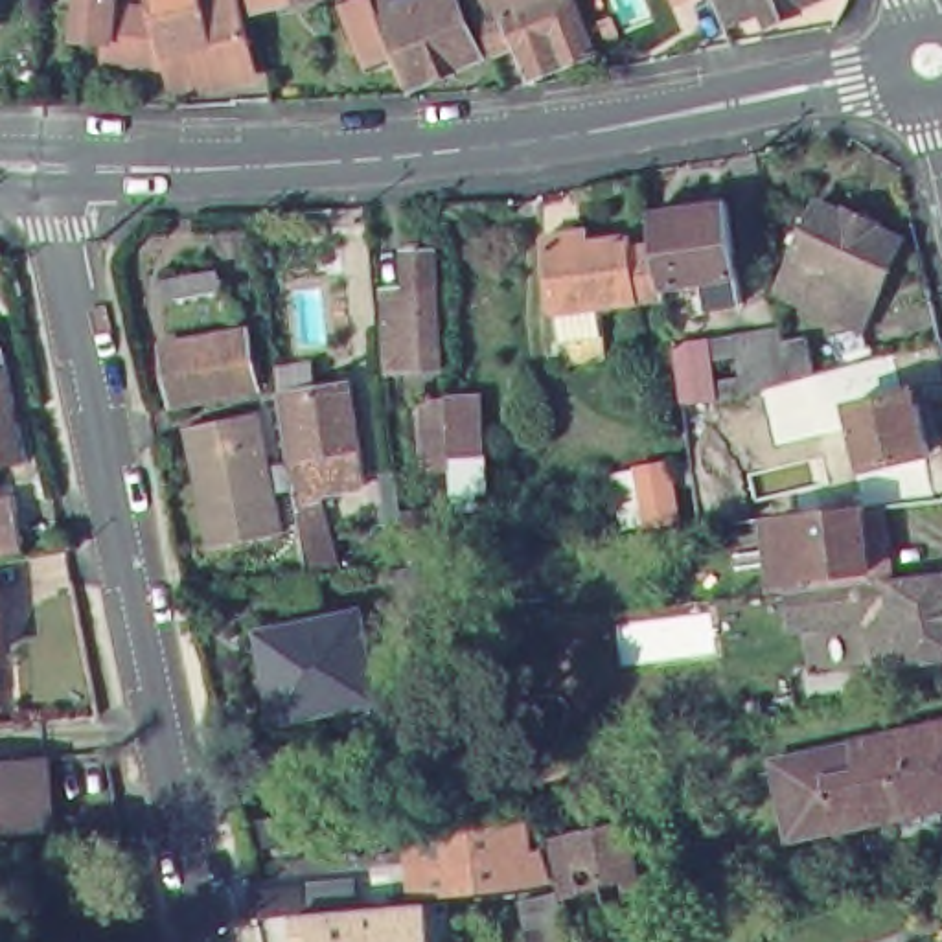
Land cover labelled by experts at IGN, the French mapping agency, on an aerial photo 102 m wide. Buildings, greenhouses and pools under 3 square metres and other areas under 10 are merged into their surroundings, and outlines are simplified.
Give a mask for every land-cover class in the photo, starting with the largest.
<instances>
[{"label":"deciduous trees","instance_id":"1","mask_svg":"<svg viewBox=\"0 0 942 942\"><path fill-rule=\"evenodd\" d=\"M59 0H40V48L33 59V81L0 77V107L63 103L85 107L92 118H99L103 110L129 114L136 110V103H151L158 96L162 81L155 70H136L132 81H118L107 74L81 70L77 59L55 63L59 33ZM615 74L592 59L559 70V77L570 88H592L596 81ZM585 202L574 217L578 228H585L603 213L607 199H622V221L637 224L644 217V195H640V180L633 177L585 184ZM817 191L810 177H795L791 184L773 180L751 269L754 298L765 302L769 316L780 320L787 305L773 287L784 261V236L795 213L806 210L810 195ZM386 221H390V224L397 232V243H423L434 250V258H442L445 291V305L434 309L442 372L427 383L390 379L386 471L397 493V519H375L364 508L357 515H339V526L331 530L335 559L342 563V570H302L298 559L250 570L236 552H232L228 567L195 563L180 574V581L166 596L169 611H177L188 615V633L202 659L206 710L228 729L224 751L217 754L213 769L224 780L261 784V802H250L243 817L247 824L269 817V835L276 850L302 854L309 865L320 868H346L353 857H368L372 865H394L408 846H431L464 828L482 824H526V832L537 828L541 835H563L578 832L581 821H596L607 824L615 850L637 854V883H629L626 894L618 887H600L592 894L563 902L559 920L548 924V942H758L780 938L787 920L806 909V902H813L817 909H835L846 894L916 902L920 920H935V894L942 876V821L920 835L883 839L876 828H868L806 843H784L773 828L762 832L758 824L736 821L740 773H732V762L754 754V740H810L854 725H879L909 729L924 721H942V666H913L902 655H879L868 666H861V673H854L839 692H810L798 707L776 710L773 692L762 688L721 692V684L699 670L695 659H622L618 640L626 622L681 615L666 596V574L688 559L707 567L710 556L732 552L710 526L714 508H707L699 497H692L684 478H673V519L655 526H626V486L618 482V471L626 467L607 453L570 442L567 434H552L548 401L530 375L534 357L526 346V316L508 320L504 346H515V361L500 364V353L493 346L475 342L471 305L475 272L482 265L497 261L504 269V261H511V250L523 239L534 247L541 228L537 217L526 213V206L508 202H405L386 210ZM442 394H478L486 464L478 493H449L445 475L427 471L416 456L412 405H423L427 397ZM559 545L578 559V574L589 578L578 600L545 589L541 559ZM316 603L324 611L353 603L364 615L379 607L383 626L368 659L372 710H342L324 721L265 729L254 718L269 695H261L254 684L250 637L265 622H276L283 611L298 615L313 611ZM239 258H221L217 250H180L162 269V280L213 272L217 283L228 287V298L239 305L243 320V327L250 331V357L261 383H272V368L287 364L294 350L287 324L291 298L280 287L283 261H294L302 272L324 265L335 261L339 247L327 239L324 224L302 213L276 210L247 213L236 232ZM677 324H684V302L677 294L603 313L600 357L578 364L567 353H559L545 357L548 372L570 390L574 412L581 419L626 431L637 445L655 453V464L670 471L681 449L670 416V408L677 405V386L670 350L681 342ZM313 383L350 386L357 456L361 475L368 478H375L379 475L361 361L335 364L324 353H316ZM155 467L162 471L166 504L173 497H184L191 475L184 445L169 453L166 442H155ZM714 592H718V600H765V585H762V578L754 574H747V578H743V581H740L736 589H721V585H714ZM132 854L118 850L103 835L63 832L44 839L37 828L0 832V942H140L144 935L132 924L140 920L136 887L125 868ZM471 913L453 916L449 942H511L519 927V909L508 894L467 898Z\"/></svg>","mask_w":942,"mask_h":942},{"label":"impervious surface","instance_id":"2","mask_svg":"<svg viewBox=\"0 0 942 942\"><path fill-rule=\"evenodd\" d=\"M677 29L662 37L655 48H648V55L633 63V74H615L596 81L592 88H570L559 77V70L541 74L537 85L519 81L515 88H504L500 63L478 85L467 88L453 85L449 74H438V85L412 92L390 81L375 103H272L269 81L261 88L180 92L162 81L158 96L151 103H136V110L129 114L103 110L99 118H92L85 107L63 103L0 107V254L11 265L26 261L29 272L44 368L48 375L63 372V401L81 453L85 482L74 489L66 486V493H52V504L40 508L33 500L15 515L18 548L0 563V725H11V710H18L22 695L11 688V648L33 637V603L55 596L70 581V541L81 545V567L88 585L103 589L118 670L129 699L125 707L110 703L99 714V718L107 732L110 765H103L99 776L88 780L85 771L48 775L52 810L37 828L44 839L63 832L103 835L118 850L132 854L125 868L136 887L140 920L132 924L144 935L140 942H298L291 927L280 920V898L269 887L265 876L254 868L243 872L232 857L239 839H228L221 846L224 817H243L250 802H261V784L224 780L213 769L217 754L224 751L228 729L206 710V718L195 714L188 699L180 644L173 633L177 611H169L166 596L180 581L166 578L155 519L144 515V497L155 493V442H166L169 453L184 445L180 431L188 423L254 416L261 427L265 464L276 467L283 460V445L280 416L272 405V383H261L250 401L224 408H162L158 394L144 401V412L129 405L125 361L110 357V339H129L125 324L118 320L114 302L103 287L99 261L107 243H118L144 217H166L169 232L191 228L199 206H224L228 213H247L276 210L302 213L324 224L327 239L339 247L335 261L324 265L327 272L346 276L353 313V324H342L327 335V342L316 353H324L335 364L361 361L372 327V287L368 239V236H364V199H372V195H375L379 202H383V206H386V210L405 202H508L526 206V213L537 217L541 228L552 232L556 224L574 217L585 202V184L633 177V169H637V166H659V169H662V206L677 210L688 202H725L732 269H751L773 180L769 169L754 173L765 151L798 147L813 140H832L835 147L850 140L854 147L879 155L902 173L905 206H898V213L913 228V254H920L924 261L931 305L924 313L894 320V302L879 294L861 335L865 339L876 331L879 339L913 331H927L935 339V346L876 357L861 368H839L817 372L795 383L769 386L765 394L776 442H821L817 456L806 464L813 475L806 486H787L769 497L754 493V478L762 475L758 467L740 475V497L762 504V515H787L784 508L802 515L854 508L865 515L868 504L889 508L902 511V497H924L942 489V0H817L791 18H747L743 29H725L710 18H699V7L692 0H670ZM883 375H894L913 394L924 442L931 445V453L924 460L861 471L846 456L839 405L865 397L868 390H876ZM684 302V324H677L681 342L758 335L773 327L769 316L765 302L754 298L714 309L703 302L699 287H684L677 294ZM0 350L7 364L18 442L29 456V405L11 339L0 342ZM383 493L375 478H368L361 489L342 493L339 508L320 504L324 523L331 530L339 526V515H357L364 508L375 504ZM471 913L467 898L431 894L423 905V942H449L453 916Z\"/></svg>","mask_w":942,"mask_h":942},{"label":"building","instance_id":"3","mask_svg":"<svg viewBox=\"0 0 942 942\"><path fill-rule=\"evenodd\" d=\"M59 33L70 44L96 52L99 63L136 70H155L162 81L180 92L261 88L269 81L250 59L243 22L265 11L305 7L339 11V48L350 52L372 74H386L390 81L412 92L438 85V74H449L453 85L467 88L478 85L500 63L504 88H515L519 81L537 85L541 74L559 70L592 59L589 44L600 37H615V18L581 26L574 0H59ZM699 7V18H710L725 29H743L747 18H791L817 0H692ZM898 250V236L846 206H832L817 191L810 195L806 210L795 213L784 236V261L773 287L787 305L798 309L802 327H817L824 331V339H835L843 331L861 335L879 294V283L887 276L883 269ZM637 224L644 236L640 243H629L622 236H589L585 228H578L574 217L556 224L552 232L541 228L534 247V276L541 287V313L552 320L559 353H567L578 364L600 357L603 313L677 294L684 287H699L703 302L714 309L754 298L751 269H732L725 202H688L677 210L662 206H659V210H648V206H644V217ZM383 265L394 269L397 287L394 294L372 287V327L383 342L379 368L390 379L427 383L442 372L434 309L445 305V291L442 258H434V250L423 243H397V232L390 224V239H386ZM217 283L213 272L162 280H151L144 287L155 346L158 394L162 408H224L250 401L261 383L250 357V331L243 327V320L177 327L162 320L166 302L199 298ZM773 327L758 335L681 342L670 350L677 386V405L670 408V416L681 449L670 471L655 464L626 467L618 471V482L626 486V526H655L673 519V478H684L692 497H699L695 412L718 416V408H747L758 394H765L769 386L795 383L817 372L810 364L802 339L780 335V320L769 316ZM29 460V456L18 442L7 364L0 350V471L11 475L15 464ZM316 353L294 350L287 364L272 368V405L280 416L283 445V460L276 467L265 464L261 427L254 416L188 423L180 431L184 445L191 475L184 497L191 534L202 537V552L210 559L232 552H236L291 534L302 541L298 559L302 570H342V563L335 559L331 530L324 523L320 504L339 508L342 493L361 489L368 478L361 475L357 456L350 386L313 383ZM846 456L861 471L924 460L931 453V445L924 442L913 394L894 375H883L876 390H868L865 397L839 405ZM416 456L427 471L445 475L449 493H478L486 464L478 394H442L427 397L423 405H412ZM383 493L375 504L364 508L375 519H397V493L386 471L379 475L375 478ZM909 504H942V489L924 497H902V511H905ZM18 548L15 515V504L0 497V563ZM787 515H762L758 552L762 570L754 574L762 578V585H765V596L791 631L839 626L854 629L857 622H868V640L879 655H902L913 666H942V574L890 578L889 508L868 504L865 515L854 508L802 515L784 508ZM70 581L96 710L99 714L110 703L88 585L81 567V545L70 541ZM383 626L379 607L364 615L353 603L324 611L316 603L313 611L298 615L283 611L276 622H265L250 637L254 684L261 695H269L254 718L265 729L324 721L342 710H372L368 659ZM762 773L769 780V802L776 810L773 828L784 843H806L868 828H876L883 839L920 835L942 821V721H924L909 729L879 725L872 736L861 740L798 754L784 747L780 754L765 758ZM52 810L48 775V762L40 758L0 762V832L37 828ZM254 857L269 861L276 850L269 835V817L247 824ZM637 854L615 850L607 824L596 821H581L578 832L563 835H541L537 828L526 832V824H482L464 828L431 846H408L394 865H372L368 857H353L346 868H320L309 876V883L269 887L280 898V920L291 927L298 942H423V905L431 894L467 898L508 894L519 909V927L511 942H548V924L559 920L563 902L592 894L600 887H618L626 894L629 883H637Z\"/></svg>","mask_w":942,"mask_h":942},{"label":"herbaceous vegetation","instance_id":"4","mask_svg":"<svg viewBox=\"0 0 942 942\"><path fill-rule=\"evenodd\" d=\"M40 48V0H0V77L33 81V59ZM648 26L629 29L618 11H611V0H574L581 26L615 18V37H600L589 44L592 59L615 74H633V63L648 55V48H655L662 37L677 29L670 0H648ZM339 11L305 7L265 11L243 22L250 59L269 81L272 103H305L302 85L339 88L361 85L372 74L350 52L339 48ZM77 59L81 70L107 74L118 81H132L136 70L99 63L96 52L70 44L59 33L55 63ZM769 169L773 180L791 184L795 177H810L817 191L832 206H846L898 236V250L883 269L887 276L879 283V294L894 302V320L924 313L931 305L924 261L920 254H913V228L898 213V206H905L902 173L879 155L854 147L850 140L835 147L832 140H813L798 147L765 151L754 173ZM633 177L640 180V195H644V206H648V210H659V206H662V169H659V166H637V169H633ZM589 236H622L629 243H640L644 236L637 224L622 221V199H607L603 213L585 228ZM180 250H217L221 258H239L236 232L191 228L169 232L147 239L140 247V261H125L136 335L144 350L155 346L144 287L151 280H162V269ZM534 276V247L523 239L511 250V261H504V269L497 261L482 265L475 272L471 305L475 342L493 346L500 353V364L515 361V346H504L508 320L526 316V283ZM26 331V309L11 265L0 254V342L11 339ZM162 320L177 327L243 320L239 305L228 298V287L217 283L199 298L166 302ZM780 335L802 339L810 364L817 372L839 368L843 350L835 339H824V331L817 327H802L798 309L787 305L780 320ZM530 375L548 401L552 434H567L570 442L607 453L626 467L655 464V453L637 445L626 431L581 419L574 412L570 390L548 372L545 357H534ZM890 578L942 574V556L931 545L909 537L905 511H902L889 508ZM180 574L195 563L228 567L232 552L210 559L202 552V537L191 534L173 545ZM250 570L298 559L302 541L291 534L236 552ZM545 589L578 600L589 578L578 574V559L559 545L541 559ZM762 570L758 552H732L710 556L707 567L688 559L666 574V596L681 615L703 611L714 618L718 651L695 659L699 670L721 684V692L762 688L773 692L776 710L798 707L810 692L802 688V677H795L806 651L802 637L791 631L765 596V600H718V592H714V585H721V589H736L740 581H743V578H747V574H754ZM33 637L11 648V688L22 695L37 703H88L96 710L70 581L55 596L33 603ZM879 725H854L810 740H754V754L732 762V773H740L736 821L758 824L762 832L773 828L776 810L769 802V780L762 773L765 758L780 754L784 747L798 754L861 740L872 736ZM254 868L265 876L269 887L309 883V876L320 868L309 865L302 854L276 850L269 861L254 857ZM758 942H942V876L935 894V920H920L916 902L846 894L835 909H817L813 902H806V909L787 920L780 938Z\"/></svg>","mask_w":942,"mask_h":942},{"label":"pervious surface","instance_id":"5","mask_svg":"<svg viewBox=\"0 0 942 942\"><path fill-rule=\"evenodd\" d=\"M386 239H375V236H372V239H368L372 287L394 294L397 287L394 269L383 265ZM118 243H107L99 261L103 287L114 302L118 320L125 324V305L114 283ZM26 309V331L33 361L37 368H44L29 272L26 261L11 265ZM280 287L291 298L298 287H316L324 294L327 335L342 324H353V313L346 276L327 272L324 265L302 272L294 261H283ZM526 346L534 357H545L559 353L552 320L541 313V287L534 276L526 283ZM835 339L843 350L839 368H861L876 357L865 346V339L861 335L843 331ZM110 357L125 361L129 405L144 412V401L129 339H110ZM48 412L66 460V486L74 489L85 482L81 453L63 401V372L48 375ZM821 442H776L765 394H758L747 408H718V416L695 412L699 497L707 508H714L710 526L732 552H758L762 515V504L740 497V475L758 467L762 475L806 464L817 456ZM0 497L15 504V515L33 500L40 508L52 504V493L44 489L40 467L29 460L15 464L11 475L0 471ZM155 493L144 497V515L155 519L166 578L180 581V574L173 545L191 534L184 497H173L166 504L162 471L155 467ZM909 537L931 545L942 556V504H909L905 511ZM110 703L125 707L129 699L118 670L103 589L88 585ZM173 633L180 644L188 699L195 714L206 718V710L202 659L188 633V615L177 611ZM868 622H857L854 629L839 626L791 631L802 637L806 651L795 677H802V688L810 692H839L854 673H861V666H868L879 655L868 640ZM40 758L48 762V775L85 771L88 780L99 776L103 765H110L107 732L99 718L29 721L22 732L18 725H0V762Z\"/></svg>","mask_w":942,"mask_h":942},{"label":"brushwood","instance_id":"6","mask_svg":"<svg viewBox=\"0 0 942 942\"><path fill-rule=\"evenodd\" d=\"M390 81L386 74H372L361 85L339 88L302 85L305 103H375ZM364 236H368V239H372V236H375V239H390V221H386V206H383V202H379L375 195H372V199H364ZM247 213H228L224 206H199L191 228L236 232ZM169 232L166 217H144L118 243L114 283L125 305V324L129 339L144 401L158 394L155 346L144 350L136 335L125 261H140V247L147 239ZM383 342L372 327L361 361L379 475L386 471L390 379L379 368ZM29 405V460L40 467L44 489L52 493H66V460L48 412V375L44 368H37L33 361L26 331L11 339ZM865 346L876 357L935 346V339L927 331H913L879 339L876 331L865 339ZM99 718V714L96 710L88 703H37L22 695L18 710H11V725H18L22 732L29 721ZM228 839H239L232 857L243 872L254 868V857L247 824L243 817H224L221 846Z\"/></svg>","mask_w":942,"mask_h":942},{"label":"swimming pool","instance_id":"7","mask_svg":"<svg viewBox=\"0 0 942 942\"><path fill-rule=\"evenodd\" d=\"M611 11H618L629 29L648 26V0H611ZM287 324L294 350L316 353L327 342V335L324 294L316 287H298L291 298ZM813 475L806 464L762 475L754 478V493L769 497L787 486H806ZM622 659H695L718 651L714 618L703 611L681 615L626 622L618 640Z\"/></svg>","mask_w":942,"mask_h":942}]
</instances>
